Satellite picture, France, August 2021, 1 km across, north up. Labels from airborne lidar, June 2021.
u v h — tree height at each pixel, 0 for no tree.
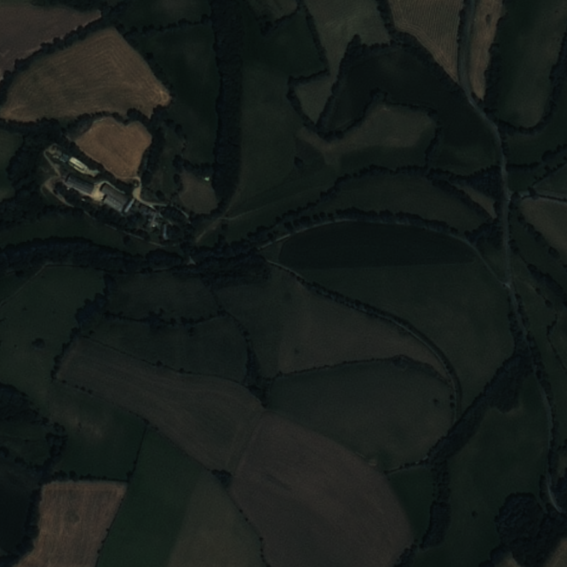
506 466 0
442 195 0
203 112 0
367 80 0
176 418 0
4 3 0
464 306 0
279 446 0
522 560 20
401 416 0
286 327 0
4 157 0
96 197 0
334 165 0
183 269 13
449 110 0
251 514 0
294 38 0
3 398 30
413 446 0
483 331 0
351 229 0
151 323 13
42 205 19
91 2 20
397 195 0
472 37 0
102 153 0
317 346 0
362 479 0
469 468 0
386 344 0
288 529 0
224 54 26
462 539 0
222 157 26
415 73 0
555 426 8
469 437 14
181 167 18
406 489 0
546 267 0
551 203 0
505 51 0
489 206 0
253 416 0
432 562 0
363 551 0
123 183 12
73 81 0
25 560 0
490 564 14
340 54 0
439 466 13
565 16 0
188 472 0
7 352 0
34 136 14
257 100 0
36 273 0
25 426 0
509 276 0
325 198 14
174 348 0
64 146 11
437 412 0
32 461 0
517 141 0
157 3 0
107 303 13
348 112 0
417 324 0
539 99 0
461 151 0
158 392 0
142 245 0
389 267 0
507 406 18
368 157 0
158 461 0
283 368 0
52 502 0
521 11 0
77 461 0
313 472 0
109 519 0
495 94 8
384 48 12
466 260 0
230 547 0
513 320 16
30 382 0
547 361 0
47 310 0
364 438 0
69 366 0
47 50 15
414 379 0
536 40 0
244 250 20
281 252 0
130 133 0
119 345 0
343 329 0
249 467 0
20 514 0
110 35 0
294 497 0
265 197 0
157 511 0
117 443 0
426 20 0
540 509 20
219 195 19
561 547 0
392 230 0
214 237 0
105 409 0
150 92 0
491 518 0
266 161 0
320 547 0
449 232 13
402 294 0
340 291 0
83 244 24
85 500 0
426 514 0
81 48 0
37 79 0
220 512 0
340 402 0
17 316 0
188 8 0
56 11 0
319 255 0
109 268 24
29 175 21
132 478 11
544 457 0
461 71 0
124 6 13
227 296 0
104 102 0
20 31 0
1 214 13
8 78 15
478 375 0
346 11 0
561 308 0
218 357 0
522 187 0
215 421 0
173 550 0
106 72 0
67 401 0
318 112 0
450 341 0
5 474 0
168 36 0
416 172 15
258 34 0
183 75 0
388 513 0
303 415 0
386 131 0
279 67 0
